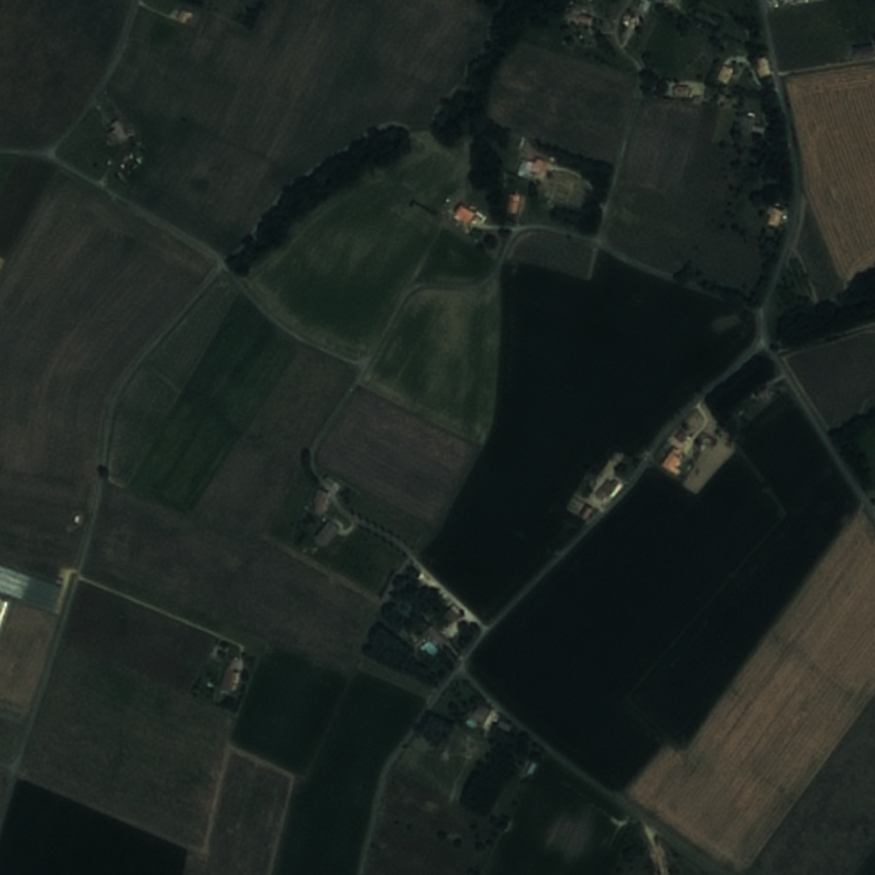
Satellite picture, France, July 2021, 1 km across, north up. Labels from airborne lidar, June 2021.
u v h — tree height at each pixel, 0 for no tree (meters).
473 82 14
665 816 0
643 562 0
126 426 0
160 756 0
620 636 0
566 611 0
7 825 0
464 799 11
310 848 0
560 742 0
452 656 12
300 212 20
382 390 0
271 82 0
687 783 0
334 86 0
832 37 0
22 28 0
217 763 0
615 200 0
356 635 0
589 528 0
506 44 14
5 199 0
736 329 0
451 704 7
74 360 0
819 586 0
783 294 9
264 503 0
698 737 0
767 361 11
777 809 0
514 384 0
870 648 0
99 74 0
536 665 0
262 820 0
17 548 0
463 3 0
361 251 0
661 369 0
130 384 0
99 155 0
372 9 0
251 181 0
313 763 0
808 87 0
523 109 0
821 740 0
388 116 0
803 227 0
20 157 0
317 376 0
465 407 0
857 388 0
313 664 0
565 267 0
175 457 0
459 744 0
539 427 0
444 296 0
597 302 0
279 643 0
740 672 0
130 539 0
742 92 7
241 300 0
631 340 0
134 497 0
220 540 0
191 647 0
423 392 0
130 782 0
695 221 0
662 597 0
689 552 0
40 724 0
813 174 0
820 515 0
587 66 0
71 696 0
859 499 0
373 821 0
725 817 0
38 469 0
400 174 0
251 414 0
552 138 0
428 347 0
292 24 0
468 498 0
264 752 0
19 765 0
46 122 0
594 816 0
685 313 0
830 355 0
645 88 6
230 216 0
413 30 0
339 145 0
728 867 0
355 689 0
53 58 0
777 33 0
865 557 0
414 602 12
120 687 0
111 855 0
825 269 0
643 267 0
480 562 0
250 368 0
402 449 0
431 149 0
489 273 0
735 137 13
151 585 0
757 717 0
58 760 0
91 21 0
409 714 0
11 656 0
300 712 0
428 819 0
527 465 0
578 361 0
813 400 0
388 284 0
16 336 0
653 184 0
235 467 0
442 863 0
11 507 0
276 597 0
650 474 0
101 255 0
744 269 0
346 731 0
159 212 0
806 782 0
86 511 0
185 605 0
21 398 0
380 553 0
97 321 0
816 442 0
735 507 0
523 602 0
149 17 0
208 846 0
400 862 0
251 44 0
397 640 16
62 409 0
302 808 0
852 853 0
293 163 0
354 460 0
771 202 15
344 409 0
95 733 0
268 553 0
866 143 0
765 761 0
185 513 0
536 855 0
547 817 0
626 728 0
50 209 0
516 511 0
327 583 0
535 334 0
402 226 0
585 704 0
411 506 0
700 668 0
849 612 0
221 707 6
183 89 0
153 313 0
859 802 0
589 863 0
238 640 0
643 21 8
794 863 0
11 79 0
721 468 0
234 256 11
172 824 0
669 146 0
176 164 0
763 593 0
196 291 0
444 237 0
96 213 0
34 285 0
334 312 0
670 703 0
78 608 0
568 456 0
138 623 0
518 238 0
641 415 0
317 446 0
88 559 0
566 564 0
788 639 0
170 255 0
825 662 0
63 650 0
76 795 0
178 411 0
